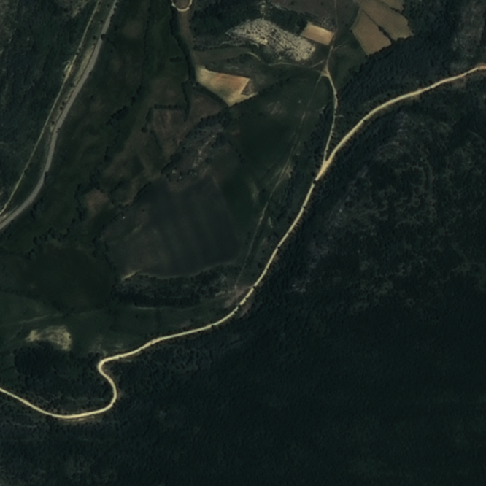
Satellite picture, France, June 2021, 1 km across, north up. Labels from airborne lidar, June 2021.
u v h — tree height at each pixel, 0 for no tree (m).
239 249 0
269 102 0
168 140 0
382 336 7
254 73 0
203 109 0
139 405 14
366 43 0
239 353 13
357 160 12
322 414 9
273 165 0
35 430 13
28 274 0
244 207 0
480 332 7
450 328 11
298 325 9
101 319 0
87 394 13
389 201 8
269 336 13
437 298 7
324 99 0
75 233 0
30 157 0
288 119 0
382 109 0
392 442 6
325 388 10
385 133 9
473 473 6
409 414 9
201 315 0
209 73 0
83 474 8
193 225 0
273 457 8
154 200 0
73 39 10
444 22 12
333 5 0
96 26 0
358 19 0
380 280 10
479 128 9
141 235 0
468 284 7
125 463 8
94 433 11
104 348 0
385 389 10
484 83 7
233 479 7
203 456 7
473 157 7
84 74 0
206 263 0
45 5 9
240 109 0
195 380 8
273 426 10
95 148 0
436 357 8
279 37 0
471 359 8
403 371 6
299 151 0
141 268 0
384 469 7
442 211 8
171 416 8
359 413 10
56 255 0
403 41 11
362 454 6
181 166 0
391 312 8
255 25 0
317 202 9
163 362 8
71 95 0
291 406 10
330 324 6
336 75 0
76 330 0
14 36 12
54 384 16
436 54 15
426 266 6
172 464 7
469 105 9
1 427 12
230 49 0
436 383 8
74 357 11
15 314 0
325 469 7
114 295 7
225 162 0
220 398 10
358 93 13
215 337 12
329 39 0
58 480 10
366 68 12
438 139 8
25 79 11
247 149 0
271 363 10
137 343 0
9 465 10
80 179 0
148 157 0
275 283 14
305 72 0
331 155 0
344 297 7
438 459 7
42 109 7
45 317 0
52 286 0
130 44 0
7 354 9
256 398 8
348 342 7
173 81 0
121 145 0
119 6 9
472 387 7
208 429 8
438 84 0
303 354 8
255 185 0
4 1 0
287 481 9
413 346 8
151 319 0
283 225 0
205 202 0
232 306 0
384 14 0
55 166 0
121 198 0
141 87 15
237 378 11
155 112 0
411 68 12
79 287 0
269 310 13
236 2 6
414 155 6
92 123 0
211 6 12
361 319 9
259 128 0
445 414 7
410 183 9
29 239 0
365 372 7
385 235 7
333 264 8
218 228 0
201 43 0
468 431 6
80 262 0
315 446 9
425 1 6
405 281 7
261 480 8
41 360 15
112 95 0
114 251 0
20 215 0
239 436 6
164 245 0
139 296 12
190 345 8
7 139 6
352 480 6
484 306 7
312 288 8
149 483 6
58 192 0
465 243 7
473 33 0
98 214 0
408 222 6
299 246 14
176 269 0
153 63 0
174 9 9
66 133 0
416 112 10
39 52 8
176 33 10
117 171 0
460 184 8
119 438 7
